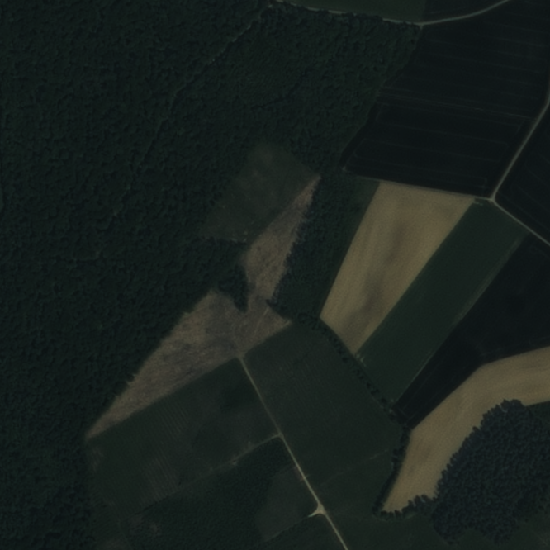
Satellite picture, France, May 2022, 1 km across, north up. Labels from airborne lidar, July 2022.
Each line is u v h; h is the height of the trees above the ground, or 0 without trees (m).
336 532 0
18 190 25
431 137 0
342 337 0
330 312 0
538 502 24
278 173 0
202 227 14
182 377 0
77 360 27
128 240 26
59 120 27
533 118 0
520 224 0
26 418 21
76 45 28
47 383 30
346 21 12
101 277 24
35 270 24
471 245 0
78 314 27
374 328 0
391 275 0
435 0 0
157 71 24
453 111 0
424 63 0
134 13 28
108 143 28
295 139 16
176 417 0
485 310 0
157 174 27
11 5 28
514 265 0
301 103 21
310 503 0
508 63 0
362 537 0
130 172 24
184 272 26
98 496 0
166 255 27
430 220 0
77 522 30
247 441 0
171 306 25
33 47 26
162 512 7
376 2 0
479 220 0
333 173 16
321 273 20
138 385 0
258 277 0
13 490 19
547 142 0
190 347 0
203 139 21
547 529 0
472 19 0
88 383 25
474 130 0
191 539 5
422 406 0
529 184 0
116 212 18
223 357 0
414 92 0
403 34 24
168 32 30
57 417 18
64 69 25
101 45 25
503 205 0
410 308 0
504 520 37
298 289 21
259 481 6
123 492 0
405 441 16
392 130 0
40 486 24
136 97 29
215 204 18
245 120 23
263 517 0
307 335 0
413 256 0
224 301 0
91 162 29
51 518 26
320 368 0
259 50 6
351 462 0
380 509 15
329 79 23
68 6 23
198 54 17
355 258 0
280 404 0
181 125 24
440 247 0
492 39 0
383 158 0
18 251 26
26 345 26
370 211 0
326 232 23
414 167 0
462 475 34
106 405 27
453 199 0
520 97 0
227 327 0
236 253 24
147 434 0
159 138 21
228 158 22
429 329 0
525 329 0
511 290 0
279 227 0
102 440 0
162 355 0
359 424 0
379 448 0
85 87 28
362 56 28
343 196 18
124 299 28
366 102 26
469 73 0
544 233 0
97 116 25
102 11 27
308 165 24
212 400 0
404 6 0
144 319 31
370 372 0
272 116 22
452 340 0
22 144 25
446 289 0
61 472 18
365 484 0
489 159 0
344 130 23
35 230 24
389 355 0
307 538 0
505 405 0
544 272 0
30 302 27
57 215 27
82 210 30
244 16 28
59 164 26
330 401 0
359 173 0
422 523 0
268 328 0
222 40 20
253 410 0
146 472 0
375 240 0
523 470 38
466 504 34
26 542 29
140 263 31
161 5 7
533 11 0
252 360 0
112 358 29
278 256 0
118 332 27
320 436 0
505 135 0
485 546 0
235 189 0
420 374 0
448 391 0
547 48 0
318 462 0
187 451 0
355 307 0
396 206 0
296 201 0
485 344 0
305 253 29
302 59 16
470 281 0
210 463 0
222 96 17
